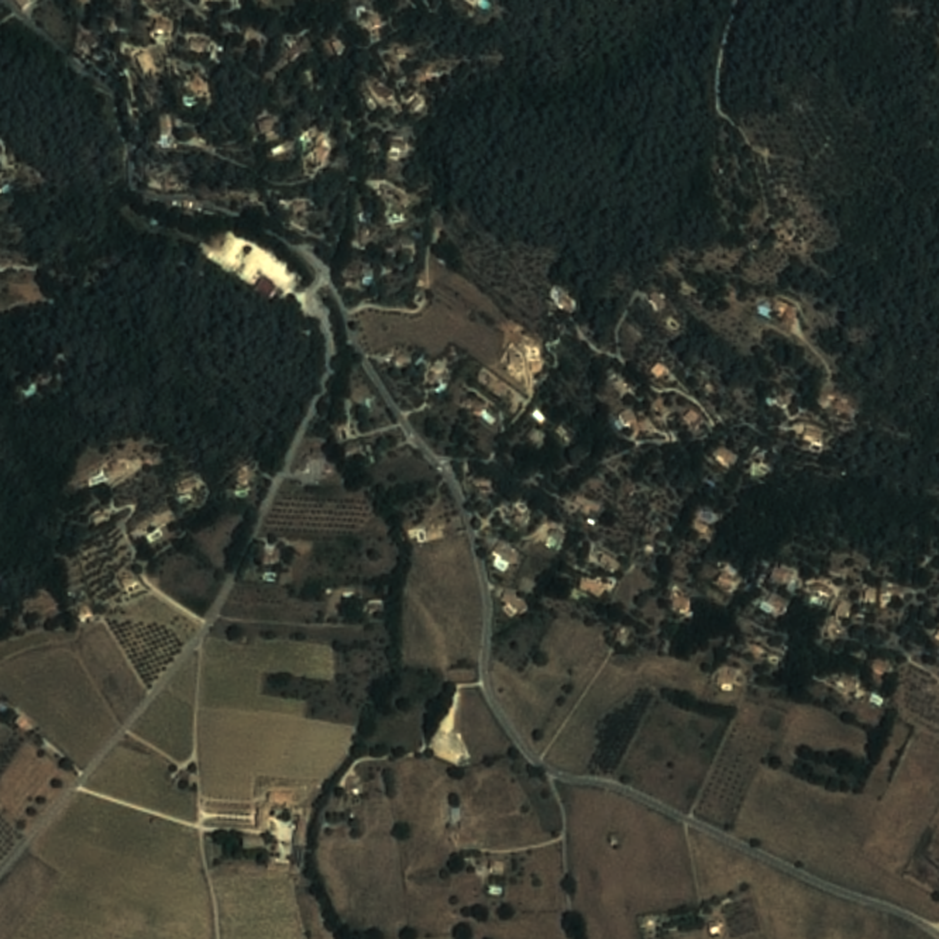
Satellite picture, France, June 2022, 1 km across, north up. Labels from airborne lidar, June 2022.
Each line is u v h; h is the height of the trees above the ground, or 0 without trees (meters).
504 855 0
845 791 11
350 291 6
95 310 21
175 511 8
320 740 0
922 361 8
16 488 14
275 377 27
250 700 0
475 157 19
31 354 9
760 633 7
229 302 25
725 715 9
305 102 20
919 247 17
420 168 17
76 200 16
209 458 24
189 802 0
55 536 25
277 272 0
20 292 0
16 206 10
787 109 20
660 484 17
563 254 7
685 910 10
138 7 7
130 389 19
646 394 9
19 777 0
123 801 0
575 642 0
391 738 0
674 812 0
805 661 15
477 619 0
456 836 0
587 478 7
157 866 0
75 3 21
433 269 0
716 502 9
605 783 0
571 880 8
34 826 0
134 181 8
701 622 12
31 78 21
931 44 10
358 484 17
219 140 8
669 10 25
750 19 22
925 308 15
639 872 0
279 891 0
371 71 8
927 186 7
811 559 9
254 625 0
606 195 22
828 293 12
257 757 0
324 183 16
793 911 0
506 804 0
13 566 15
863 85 19
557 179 22
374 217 8
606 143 19
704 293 14
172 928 0
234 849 13
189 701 0
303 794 0
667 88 21
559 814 0
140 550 11
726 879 0
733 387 22
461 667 6
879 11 7
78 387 20
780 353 12
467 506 12
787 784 0
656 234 21
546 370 6
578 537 11
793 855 0
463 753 0
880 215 7
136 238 18
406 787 0
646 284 7
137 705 0
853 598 9
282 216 24
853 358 18
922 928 0
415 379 11
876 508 17
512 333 0
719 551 6
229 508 11
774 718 0
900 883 0
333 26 10
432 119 9
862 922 0
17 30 6
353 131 9
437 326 0
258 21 13
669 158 21
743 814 0
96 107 9
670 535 12
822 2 15
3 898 0
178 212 11
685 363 19
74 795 0
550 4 20
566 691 6
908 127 7
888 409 10
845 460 16
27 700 0
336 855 0
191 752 0
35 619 16
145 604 0
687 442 9
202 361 25
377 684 12
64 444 15
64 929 0
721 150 10
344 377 10
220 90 16
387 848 0
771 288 6
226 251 0
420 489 8
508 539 15
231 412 18
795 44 21
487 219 18
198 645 0
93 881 0
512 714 0
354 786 0
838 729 0
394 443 13
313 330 9
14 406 13
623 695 0
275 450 10
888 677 13
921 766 0
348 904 0
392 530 8
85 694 0
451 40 19
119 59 14
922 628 8
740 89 14
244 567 8
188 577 0
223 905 0
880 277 17
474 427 7
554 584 13
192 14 12
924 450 10
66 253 10
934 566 11
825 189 7
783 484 9
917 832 0
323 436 9
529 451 13
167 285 19
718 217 9
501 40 24
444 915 0
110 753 0
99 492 12
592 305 11
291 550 11
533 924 0
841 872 0
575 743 0
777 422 7
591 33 7
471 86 23
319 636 0
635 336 0
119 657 0
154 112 7
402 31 7
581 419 11
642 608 15
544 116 24
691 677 0
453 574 0
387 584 10
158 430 11
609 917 0
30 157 21
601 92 28
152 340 22
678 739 0
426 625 0
